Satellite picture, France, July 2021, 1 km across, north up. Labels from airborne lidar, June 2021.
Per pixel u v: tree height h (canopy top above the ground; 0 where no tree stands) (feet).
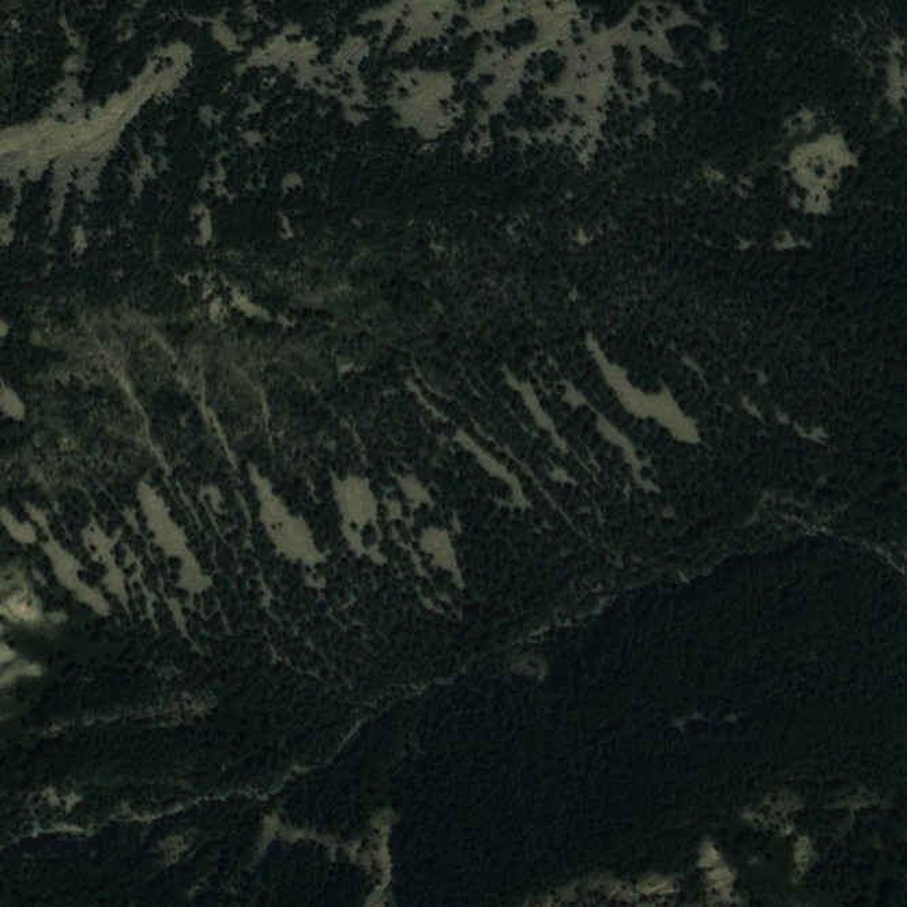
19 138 0
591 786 79
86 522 30
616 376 0
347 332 35
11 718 0
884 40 41
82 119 0
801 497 73
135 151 41
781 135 31
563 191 49
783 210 47
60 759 48
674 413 0
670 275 32
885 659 74
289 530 0
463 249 37
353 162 27
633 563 45
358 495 0
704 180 30
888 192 56
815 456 83
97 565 73
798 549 49
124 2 24
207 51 33
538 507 44
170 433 22
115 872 52
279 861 57
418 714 58
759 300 69
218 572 29
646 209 53
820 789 68
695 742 59
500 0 0
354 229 31
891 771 87
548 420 0
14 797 33
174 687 33
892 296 69
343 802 61
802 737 79
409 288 33
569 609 38
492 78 54
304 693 47
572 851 63
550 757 63
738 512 32
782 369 62
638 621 81
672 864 69
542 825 66
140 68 38
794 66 78
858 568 83
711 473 87
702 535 72
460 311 25
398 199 48
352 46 0
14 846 22
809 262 60
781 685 73
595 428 23
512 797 59
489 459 0
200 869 46
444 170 45
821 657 45
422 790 73
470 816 69
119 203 36
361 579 30
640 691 48
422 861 72
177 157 33
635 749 69
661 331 47
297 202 41
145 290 33
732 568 56
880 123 30
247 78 34
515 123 26
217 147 42
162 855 31
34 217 33
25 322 39
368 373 32
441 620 72
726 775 67
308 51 0
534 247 45
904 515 68
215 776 72
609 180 46
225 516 52
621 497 59
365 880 56
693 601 66
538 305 28
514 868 46
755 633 91
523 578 48
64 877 51
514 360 49
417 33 0
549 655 27
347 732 24
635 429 31
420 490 0
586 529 58
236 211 37
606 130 49
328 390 18
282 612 43
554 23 0
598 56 0
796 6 70
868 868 96
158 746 59
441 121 0
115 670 58
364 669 46
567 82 0
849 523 40
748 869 0
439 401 59
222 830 44
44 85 42
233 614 69
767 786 55
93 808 80
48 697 55
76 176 44
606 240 57
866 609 82
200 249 38
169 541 0
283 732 0
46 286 28
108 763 37
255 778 32
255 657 39
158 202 43
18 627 0
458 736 71
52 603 56
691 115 61
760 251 62
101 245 28
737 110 73
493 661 34
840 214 39
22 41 22
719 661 74
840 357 81
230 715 0
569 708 54
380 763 58
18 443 21
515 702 68
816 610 87
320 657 77
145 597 40
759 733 84
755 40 59
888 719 85
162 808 31
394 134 55
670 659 72
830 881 59
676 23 0
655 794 87
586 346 41
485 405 38
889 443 83
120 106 0
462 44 47
